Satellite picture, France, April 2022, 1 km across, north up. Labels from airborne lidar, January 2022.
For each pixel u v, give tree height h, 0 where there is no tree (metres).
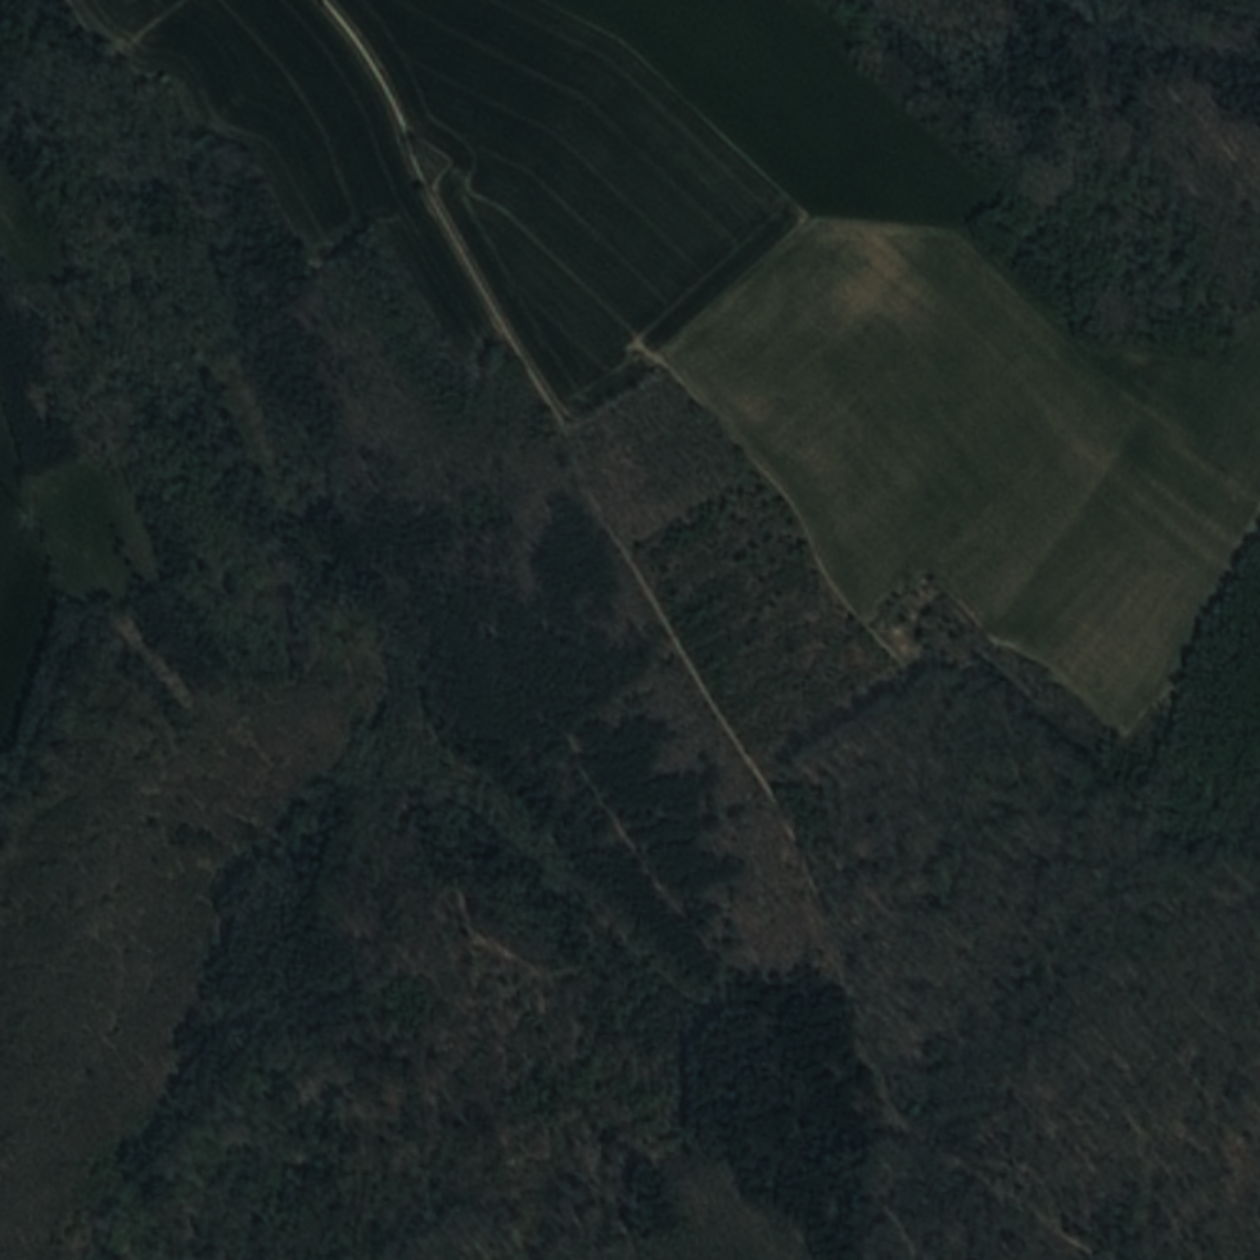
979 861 30
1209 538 0
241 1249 13
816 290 0
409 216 0
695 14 0
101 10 0
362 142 0
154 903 9
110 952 10
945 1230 29
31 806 28
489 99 0
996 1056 31
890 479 0
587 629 19
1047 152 20
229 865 6
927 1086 31
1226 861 30
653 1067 8
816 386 0
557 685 18
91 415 13
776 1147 24
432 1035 17
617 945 11
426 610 21
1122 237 28
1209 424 0
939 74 17
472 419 18
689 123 0
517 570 16
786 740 6
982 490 0
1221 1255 27
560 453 18
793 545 9
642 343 0
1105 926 30
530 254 0
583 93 0
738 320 0
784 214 0
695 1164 24
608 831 20
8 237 0
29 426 16
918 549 0
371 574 20
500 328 0
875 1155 33
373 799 18
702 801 12
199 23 0
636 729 13
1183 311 28
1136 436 0
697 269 0
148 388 19
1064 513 0
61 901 7
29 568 0
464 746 19
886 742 31
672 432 0
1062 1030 32
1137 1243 28
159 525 16
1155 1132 33
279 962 36
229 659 14
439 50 0
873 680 6
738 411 0
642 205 0
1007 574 0
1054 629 0
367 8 0
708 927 15
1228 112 19
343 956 23
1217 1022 34
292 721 9
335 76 0
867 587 0
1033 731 28
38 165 14
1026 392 0
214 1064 32
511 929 16
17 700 0
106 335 13
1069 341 0
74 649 18
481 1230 38
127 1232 33
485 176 0
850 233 0
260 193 17
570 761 20
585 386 0
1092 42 31
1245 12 21
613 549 16
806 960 8
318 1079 19
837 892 28
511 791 26
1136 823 29
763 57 0
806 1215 27
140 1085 8
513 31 0
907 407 0
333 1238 8
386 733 15
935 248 0
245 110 0
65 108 22
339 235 0
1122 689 0
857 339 0
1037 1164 29
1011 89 17
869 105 0
